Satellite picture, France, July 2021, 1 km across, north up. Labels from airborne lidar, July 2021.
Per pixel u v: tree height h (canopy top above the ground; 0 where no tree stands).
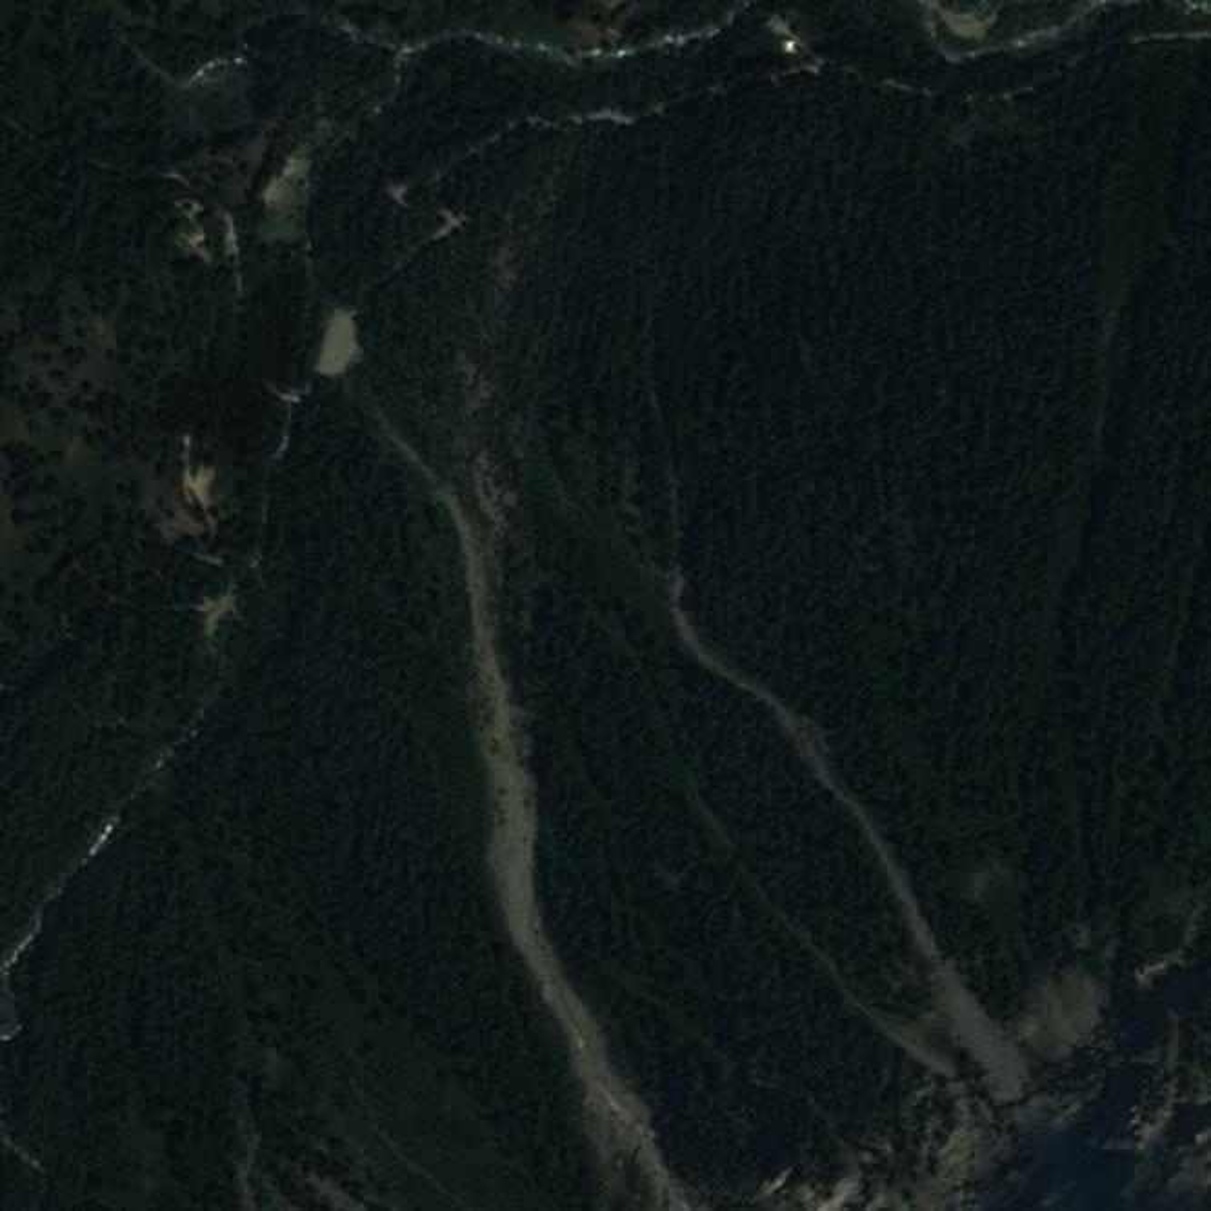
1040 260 27
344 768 29
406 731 7
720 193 20
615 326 25
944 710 17
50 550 23
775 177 22
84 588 14
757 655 21
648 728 19
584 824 26
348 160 8
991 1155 0
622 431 20
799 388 13
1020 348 26
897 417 27
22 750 28
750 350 14
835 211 7
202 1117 22
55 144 13
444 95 17
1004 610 27
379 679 11
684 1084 9
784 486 23
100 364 0
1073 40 8
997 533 29
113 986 10
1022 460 22
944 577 32
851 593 8
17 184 16
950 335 27
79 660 27
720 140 19
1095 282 22
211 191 11
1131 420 20
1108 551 24
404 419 7
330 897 19
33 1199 15
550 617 15
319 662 30
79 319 7
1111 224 7
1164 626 28
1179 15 5
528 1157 14
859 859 21
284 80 21
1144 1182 0
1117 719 24
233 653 15
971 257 24
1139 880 22
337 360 0
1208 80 24
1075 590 7
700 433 19
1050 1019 0
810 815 24
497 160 21
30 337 14
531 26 0
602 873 22
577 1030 0
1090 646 25
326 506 18
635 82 15
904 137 26
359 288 22
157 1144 0
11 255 16
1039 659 7
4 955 12
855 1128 12
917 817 24
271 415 19
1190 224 32
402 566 17
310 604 10
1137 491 26
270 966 21
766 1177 6
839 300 32
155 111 14
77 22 22
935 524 9
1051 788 26
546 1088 13
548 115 19
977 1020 0
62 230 13
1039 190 10
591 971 15
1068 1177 0
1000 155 9
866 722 19
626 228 21
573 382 10
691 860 25
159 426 31
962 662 26
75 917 17
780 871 20
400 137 20
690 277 23
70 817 14
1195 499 27
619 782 23
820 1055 22
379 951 21
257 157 0
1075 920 16
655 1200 0
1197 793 26
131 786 7
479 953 23
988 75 16
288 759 21
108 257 13
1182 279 28
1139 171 6
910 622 8
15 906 13
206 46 10
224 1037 20
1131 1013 8
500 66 19
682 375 20
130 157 12
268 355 18
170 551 15
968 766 21
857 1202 0
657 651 13
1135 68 7
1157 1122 7
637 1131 0
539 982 0
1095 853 22
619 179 20
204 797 20
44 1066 25
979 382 21
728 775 24
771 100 17
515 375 10
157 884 22
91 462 0
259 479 14
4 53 7
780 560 27
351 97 7
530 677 9
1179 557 28
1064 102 21
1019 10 8
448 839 25
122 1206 0
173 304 10
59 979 14
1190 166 28
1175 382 21
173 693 10
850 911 17
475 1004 9
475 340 7
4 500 0
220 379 19
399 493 12
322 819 18
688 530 13
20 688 6
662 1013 10
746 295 20
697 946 21
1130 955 11
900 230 9
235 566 16
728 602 28
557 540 6
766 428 21
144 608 13
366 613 14
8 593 24
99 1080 20
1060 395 20
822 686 12
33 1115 25
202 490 0
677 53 16
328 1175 15
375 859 34
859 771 15
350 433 16
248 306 13
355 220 28
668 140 13
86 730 26
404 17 15
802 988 23
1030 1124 0
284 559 12
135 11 27
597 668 20
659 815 28
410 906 31
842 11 18
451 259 16
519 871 0
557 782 23
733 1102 8
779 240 18
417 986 12
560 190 10
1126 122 24
